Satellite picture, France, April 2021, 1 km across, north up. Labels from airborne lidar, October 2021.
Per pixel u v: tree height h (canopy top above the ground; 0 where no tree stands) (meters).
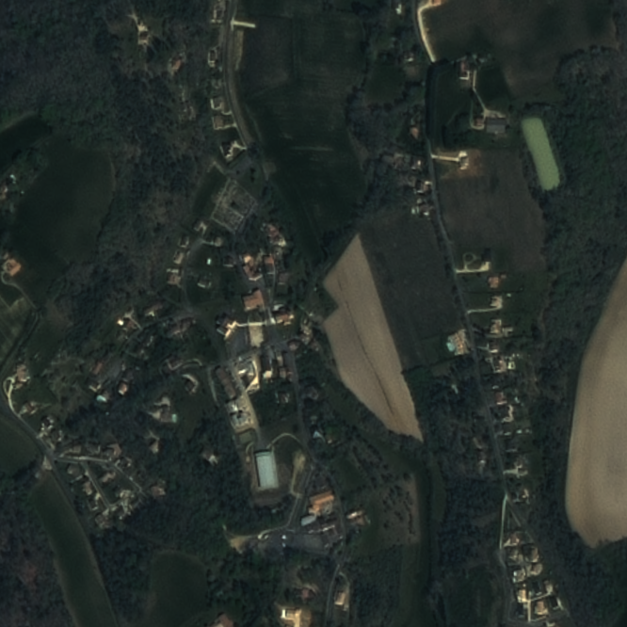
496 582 10
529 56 0
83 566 0
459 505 9
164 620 0
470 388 17
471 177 0
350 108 15
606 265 15
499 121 0
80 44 18
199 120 12
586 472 0
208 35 18
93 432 18
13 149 0
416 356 0
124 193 13
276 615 19
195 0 16
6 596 17
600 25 0
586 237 19
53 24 11
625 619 0
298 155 0
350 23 0
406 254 0
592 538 0
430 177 15
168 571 0
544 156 0
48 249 0
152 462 18
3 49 13
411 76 0
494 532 7
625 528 0
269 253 6
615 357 0
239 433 0
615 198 15
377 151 20
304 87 0
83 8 12
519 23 0
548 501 7
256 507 0
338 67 0
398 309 0
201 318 0
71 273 18
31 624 9
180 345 8
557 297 16
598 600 16
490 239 0
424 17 0
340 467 0
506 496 0
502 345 0
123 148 14
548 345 8
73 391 11
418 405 7
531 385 12
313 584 20
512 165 0
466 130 8
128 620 21
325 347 10
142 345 6
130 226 19
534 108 12
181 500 20
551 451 10
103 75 17
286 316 0
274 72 0
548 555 12
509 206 0
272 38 0
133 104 15
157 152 18
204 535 21
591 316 12
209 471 21
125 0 19
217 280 0
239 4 0
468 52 0
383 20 20
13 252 12
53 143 0
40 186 0
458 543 18
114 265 15
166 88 16
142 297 15
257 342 0
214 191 0
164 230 11
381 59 10
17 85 25
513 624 0
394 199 16
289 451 0
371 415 19
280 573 19
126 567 20
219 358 0
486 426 13
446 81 0
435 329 0
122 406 16
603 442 0
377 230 0
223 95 0
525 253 0
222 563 8
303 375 6
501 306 0
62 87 17
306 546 0
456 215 0
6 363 0
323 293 8
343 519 0
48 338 0
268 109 0
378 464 8
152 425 11
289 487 0
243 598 11
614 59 20
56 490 0
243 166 0
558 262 21
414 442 14
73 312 13
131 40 8
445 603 30
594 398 0
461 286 0
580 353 24
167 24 12
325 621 8
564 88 11
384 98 0
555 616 0
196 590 0
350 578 10
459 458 14
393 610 21
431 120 15
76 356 7
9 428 0
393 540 0
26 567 10
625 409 0
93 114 23
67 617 18
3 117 26
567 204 19
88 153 0
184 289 0
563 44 0
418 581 0
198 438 8
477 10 0
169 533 21
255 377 0
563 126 8
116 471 0
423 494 0
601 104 13
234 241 13
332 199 0
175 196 12
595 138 18
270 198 9
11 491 8
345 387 11
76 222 0
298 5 0
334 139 0
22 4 14
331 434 17
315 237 0
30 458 0
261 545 0
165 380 12
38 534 16
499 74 0
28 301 0
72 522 0
